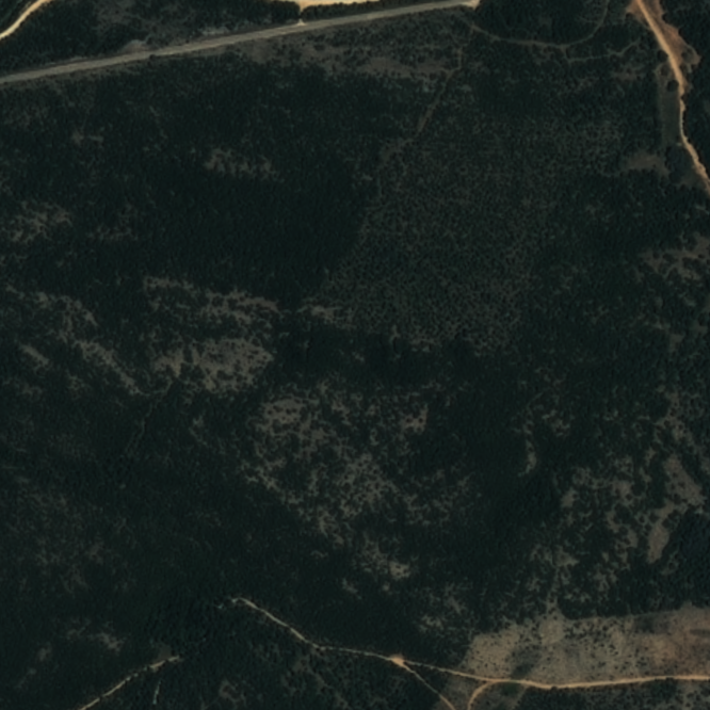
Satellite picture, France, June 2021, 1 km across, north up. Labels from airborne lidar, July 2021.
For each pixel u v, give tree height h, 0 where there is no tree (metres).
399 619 6
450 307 7
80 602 6
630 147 11
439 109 7
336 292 8
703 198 14
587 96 11
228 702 6
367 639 7
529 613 6
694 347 6
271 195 7
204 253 8
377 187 9
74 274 8
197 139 6
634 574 6
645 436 6
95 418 7
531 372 6
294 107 7
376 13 0
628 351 8
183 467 7
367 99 6
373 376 7
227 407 8
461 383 6
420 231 5
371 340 10
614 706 6
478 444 11
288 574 5
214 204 9
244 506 7
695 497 0
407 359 13
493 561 7
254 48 0
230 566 6
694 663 0
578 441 6
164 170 8
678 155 18
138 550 7
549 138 5
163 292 6
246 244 10
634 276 6
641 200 9
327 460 7
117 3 0
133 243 7
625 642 0
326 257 8
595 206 6
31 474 6
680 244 12
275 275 7
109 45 8
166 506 7
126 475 6
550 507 8
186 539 6
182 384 7
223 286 7
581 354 7
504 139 8
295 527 7
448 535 6
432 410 6
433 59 0
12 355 9
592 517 5
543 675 0
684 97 9
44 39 6
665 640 0
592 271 7
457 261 8
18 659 6
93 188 7
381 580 6
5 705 5
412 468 7
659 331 10
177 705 5
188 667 8
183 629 7
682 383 12
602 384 7
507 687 0
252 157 6
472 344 10
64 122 6
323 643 7
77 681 8
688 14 9
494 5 11
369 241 6
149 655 6
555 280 7
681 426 5
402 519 6
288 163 5
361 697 15
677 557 9
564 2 7
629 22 9
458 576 7
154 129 7
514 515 12
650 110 8
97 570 6
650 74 8
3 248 6
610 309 6
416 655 6
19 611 8
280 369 6
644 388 6
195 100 7
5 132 6
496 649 0
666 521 7
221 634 12
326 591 6
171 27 0
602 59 7
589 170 10
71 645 6
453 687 0
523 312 6
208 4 6
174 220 8
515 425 7
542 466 6
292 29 0
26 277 7
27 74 0
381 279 9
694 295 6
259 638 12
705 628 0
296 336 10
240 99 6
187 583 7
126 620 12
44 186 7
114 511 6
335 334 6
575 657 0
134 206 6
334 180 8
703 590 7
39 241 6
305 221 9
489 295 9
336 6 7
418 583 9
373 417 6
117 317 6
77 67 0
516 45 7
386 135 7
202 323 6
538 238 6
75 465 6
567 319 10
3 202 6
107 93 6
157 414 9
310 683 8
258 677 8
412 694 9
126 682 9
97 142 9
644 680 0
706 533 15
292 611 7
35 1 0
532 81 6
